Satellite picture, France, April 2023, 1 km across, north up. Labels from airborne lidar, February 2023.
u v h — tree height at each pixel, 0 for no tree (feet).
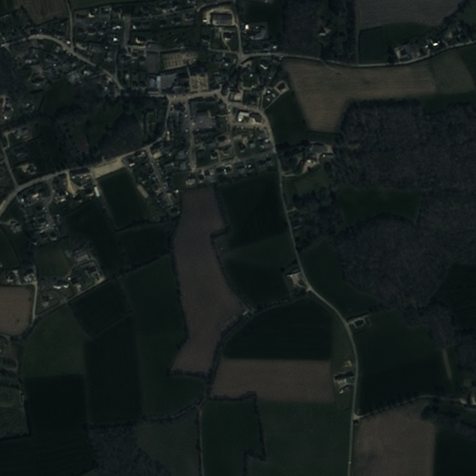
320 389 0
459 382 0
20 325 0
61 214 0
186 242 0
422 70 0
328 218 74
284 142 0
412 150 70
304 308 0
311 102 0
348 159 64
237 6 40
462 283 0
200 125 0
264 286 0
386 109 64
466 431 40
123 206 0
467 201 65
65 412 0
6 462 0
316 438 0
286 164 33
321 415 0
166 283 0
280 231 0
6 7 0
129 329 0
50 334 0
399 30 0
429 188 47
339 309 0
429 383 0
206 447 0
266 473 0
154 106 41
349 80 0
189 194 0
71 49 0
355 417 0
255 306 0
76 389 0
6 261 0
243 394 0
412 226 58
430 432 0
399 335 0
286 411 0
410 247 78
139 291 0
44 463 0
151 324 0
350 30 60
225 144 0
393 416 0
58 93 0
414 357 0
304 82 0
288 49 73
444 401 70
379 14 0
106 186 0
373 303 0
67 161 51
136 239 0
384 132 76
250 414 0
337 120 0
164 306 0
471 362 68
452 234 67
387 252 70
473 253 56
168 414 0
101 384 0
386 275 64
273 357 0
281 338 0
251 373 0
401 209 0
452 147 60
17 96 64
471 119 63
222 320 0
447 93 0
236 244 0
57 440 0
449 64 0
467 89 0
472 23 0
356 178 65
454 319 39
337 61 43
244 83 0
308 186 0
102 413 0
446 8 0
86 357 0
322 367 0
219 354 53
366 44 17
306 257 0
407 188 55
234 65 23
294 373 0
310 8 81
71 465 0
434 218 75
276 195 0
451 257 61
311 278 0
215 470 0
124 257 33
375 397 0
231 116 0
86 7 0
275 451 0
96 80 50
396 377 0
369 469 0
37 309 0
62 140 61
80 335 0
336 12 78
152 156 0
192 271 0
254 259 0
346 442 0
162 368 0
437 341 62
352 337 0
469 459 0
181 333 0
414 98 0
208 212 0
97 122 0
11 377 42
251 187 0
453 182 65
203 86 0
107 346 0
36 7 0
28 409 31
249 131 0
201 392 0
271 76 0
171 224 37
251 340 0
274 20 0
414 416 0
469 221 77
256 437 0
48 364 0
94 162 49
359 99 0
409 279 65
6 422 0
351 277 50
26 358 0
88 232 0
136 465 79
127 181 0
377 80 0
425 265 70
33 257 33
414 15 0
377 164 72
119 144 75
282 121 0
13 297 0
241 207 0
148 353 0
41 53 0
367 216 0
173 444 0
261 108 0
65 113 63
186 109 0
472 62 0
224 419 0
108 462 77
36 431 0
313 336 0
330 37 21
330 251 0
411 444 0
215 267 0
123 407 0
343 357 0
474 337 61
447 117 62
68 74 0
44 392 0
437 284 42
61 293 0
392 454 0
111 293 0
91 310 0
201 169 0
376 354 0
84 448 0
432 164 60
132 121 85
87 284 0
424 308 44
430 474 0
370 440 0
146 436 0
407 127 76
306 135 0
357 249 71
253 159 0
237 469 0
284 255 0
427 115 56
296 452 0
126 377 0
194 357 0
